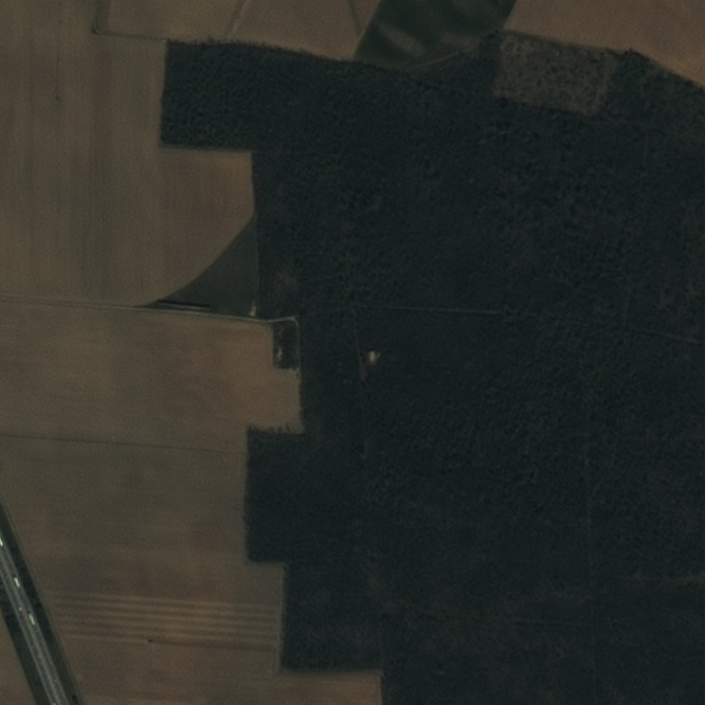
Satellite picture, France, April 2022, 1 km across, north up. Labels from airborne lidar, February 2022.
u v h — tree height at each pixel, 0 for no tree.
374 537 19
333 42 0
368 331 7
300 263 9
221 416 0
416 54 0
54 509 0
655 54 0
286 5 0
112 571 0
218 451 0
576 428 13
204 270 0
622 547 8
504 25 0
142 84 0
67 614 0
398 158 12
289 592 14
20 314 0
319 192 7
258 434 13
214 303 0
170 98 12
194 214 0
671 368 9
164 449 0
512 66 0
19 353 0
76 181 0
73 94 0
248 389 0
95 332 0
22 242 0
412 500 16
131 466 0
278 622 0
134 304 0
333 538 14
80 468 0
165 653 0
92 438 0
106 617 0
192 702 0
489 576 7
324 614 12
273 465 0
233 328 0
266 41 0
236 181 0
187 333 0
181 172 0
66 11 0
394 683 12
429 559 10
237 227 0
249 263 0
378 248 11
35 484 0
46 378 0
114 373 0
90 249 0
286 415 0
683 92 11
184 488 0
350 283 9
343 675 0
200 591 0
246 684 0
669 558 10
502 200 11
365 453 15
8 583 0
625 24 0
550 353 14
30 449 0
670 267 0
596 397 12
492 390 9
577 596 10
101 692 0
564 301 14
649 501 9
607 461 13
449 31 0
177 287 0
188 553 0
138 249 0
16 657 0
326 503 6
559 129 7
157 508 0
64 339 0
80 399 0
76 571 0
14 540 0
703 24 0
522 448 12
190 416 0
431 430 12
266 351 0
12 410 0
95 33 0
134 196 0
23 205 0
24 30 0
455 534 13
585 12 0
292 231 11
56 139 0
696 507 9
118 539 0
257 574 0
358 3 0
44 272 0
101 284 0
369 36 0
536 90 0
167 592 0
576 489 11
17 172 0
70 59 0
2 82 0
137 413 0
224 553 0
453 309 7
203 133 9
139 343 0
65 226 0
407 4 0
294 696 0
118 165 0
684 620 12
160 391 0
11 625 9
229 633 0
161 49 0
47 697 0
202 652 0
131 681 0
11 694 0
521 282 11
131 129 0
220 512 0
